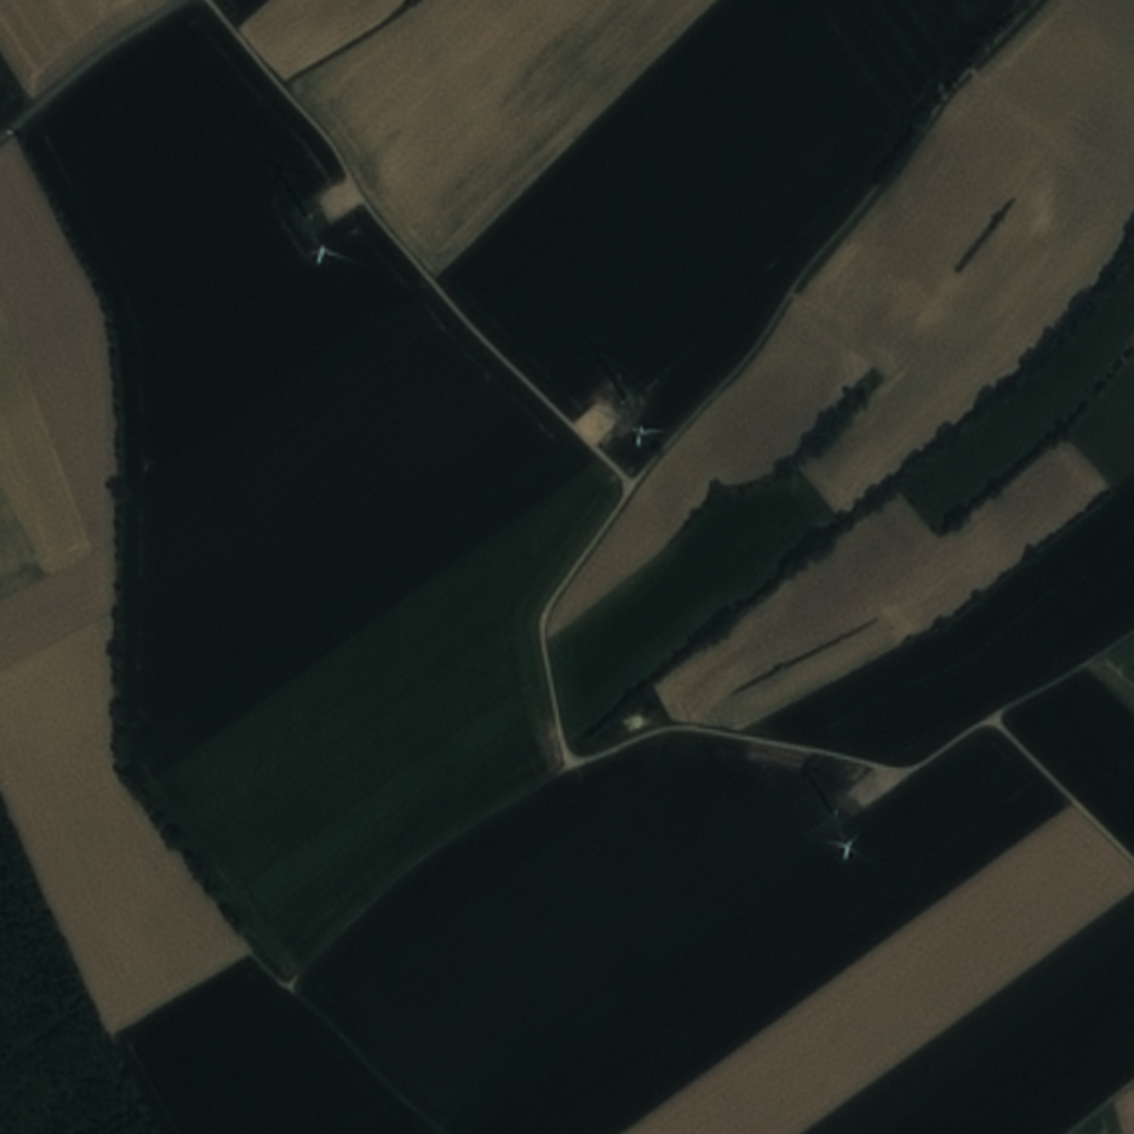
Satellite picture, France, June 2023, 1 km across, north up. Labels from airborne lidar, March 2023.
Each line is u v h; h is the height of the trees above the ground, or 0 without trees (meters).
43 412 0
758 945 0
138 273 0
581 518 0
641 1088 0
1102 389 7
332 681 0
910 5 0
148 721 0
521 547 0
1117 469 0
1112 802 0
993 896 0
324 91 0
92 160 0
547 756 0
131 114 0
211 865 0
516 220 0
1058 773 0
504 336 0
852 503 0
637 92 0
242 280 0
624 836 0
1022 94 0
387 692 0
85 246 0
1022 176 0
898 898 0
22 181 0
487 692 0
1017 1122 0
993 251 0
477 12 0
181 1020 0
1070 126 0
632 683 0
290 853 0
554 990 0
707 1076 0
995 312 0
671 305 0
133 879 0
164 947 0
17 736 0
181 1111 0
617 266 0
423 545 0
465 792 0
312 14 0
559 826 0
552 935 0
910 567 0
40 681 0
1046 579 0
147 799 10
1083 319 14
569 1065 0
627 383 0
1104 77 0
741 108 0
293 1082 0
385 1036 0
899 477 6
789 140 0
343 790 0
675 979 0
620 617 0
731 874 0
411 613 0
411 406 0
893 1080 0
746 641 0
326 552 0
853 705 0
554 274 0
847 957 0
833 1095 0
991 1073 0
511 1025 0
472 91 0
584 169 0
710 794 0
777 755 0
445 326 0
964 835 0
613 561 0
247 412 0
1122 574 0
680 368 0
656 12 0
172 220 0
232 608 0
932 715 0
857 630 0
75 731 0
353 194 0
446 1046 0
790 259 0
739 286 0
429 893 0
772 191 0
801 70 0
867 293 0
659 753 0
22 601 0
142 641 0
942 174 0
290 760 0
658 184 0
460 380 0
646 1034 0
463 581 0
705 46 0
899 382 0
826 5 0
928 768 0
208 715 0
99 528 0
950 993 0
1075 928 0
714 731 0
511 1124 0
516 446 0
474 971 0
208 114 0
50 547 0
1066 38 0
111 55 0
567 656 0
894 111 0
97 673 0
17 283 0
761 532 0
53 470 0
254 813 0
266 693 0
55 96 0
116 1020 0
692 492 0
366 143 0
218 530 0
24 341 0
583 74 0
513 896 0
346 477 0
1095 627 0
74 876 0
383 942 0
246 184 0
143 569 0
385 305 0
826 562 0
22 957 11
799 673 0
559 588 0
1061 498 0
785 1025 0
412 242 0
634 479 0
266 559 0
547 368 0
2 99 0
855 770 0
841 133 0
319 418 0
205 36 0
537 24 0
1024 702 0
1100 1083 0
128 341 0
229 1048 0
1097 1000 0
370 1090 0
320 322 0
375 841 0
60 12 0
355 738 0
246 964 0
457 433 0
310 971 0
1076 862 0
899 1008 0
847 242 0
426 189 0
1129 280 0
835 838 0
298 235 0
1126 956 0
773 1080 0
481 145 0
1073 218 0
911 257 0
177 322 0
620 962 0
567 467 0
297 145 0
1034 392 0
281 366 0
